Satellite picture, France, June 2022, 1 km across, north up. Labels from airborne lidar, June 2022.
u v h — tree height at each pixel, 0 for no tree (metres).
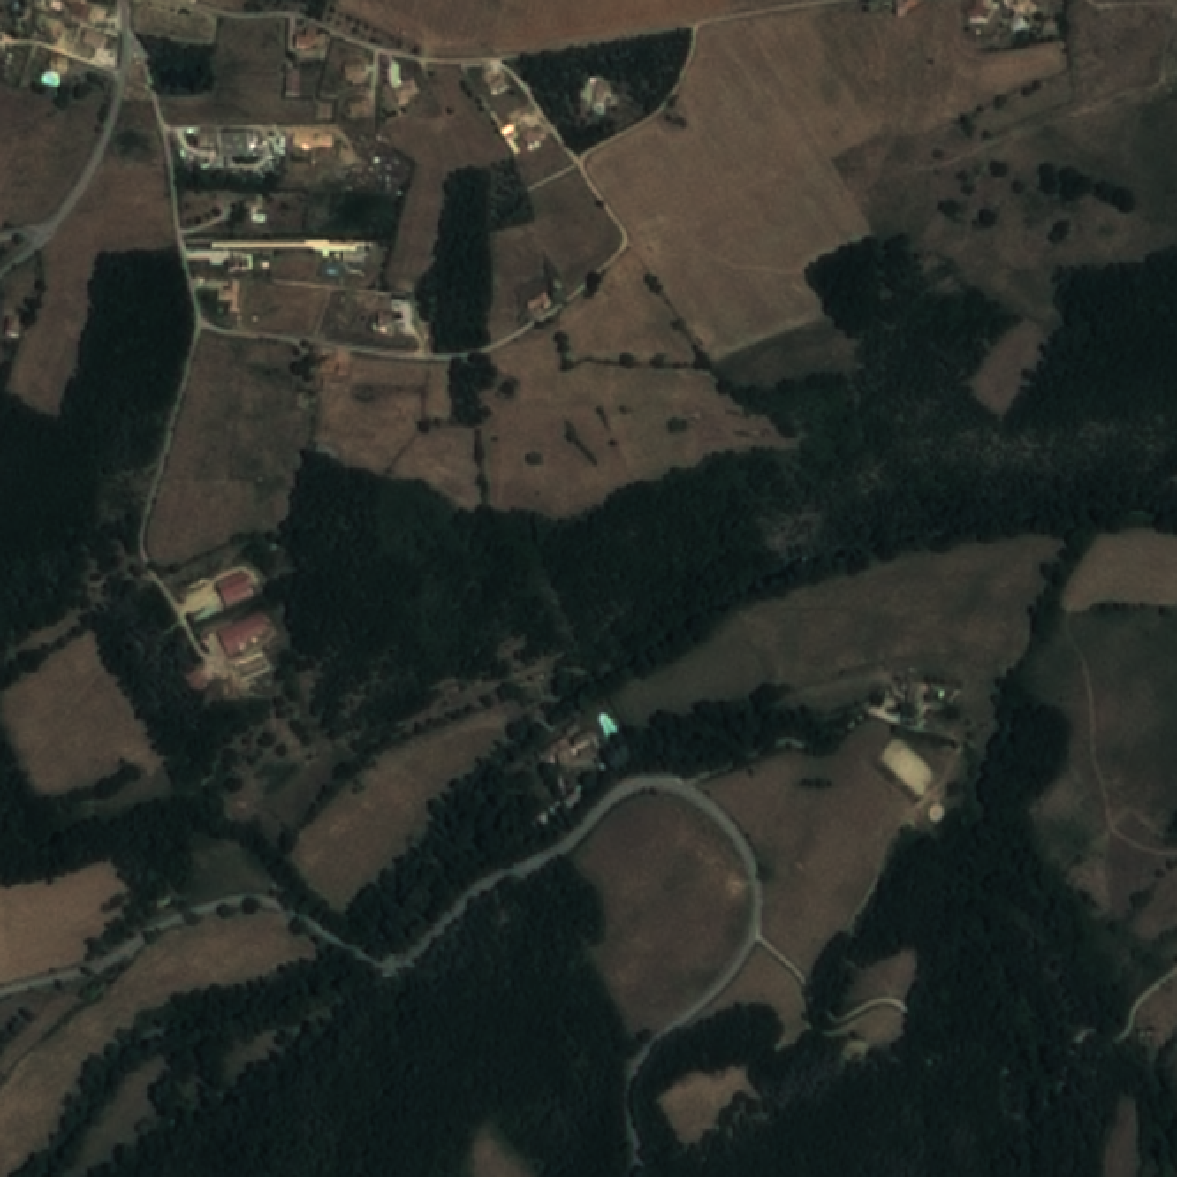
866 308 18
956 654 0
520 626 11
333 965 23
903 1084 12
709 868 0
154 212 0
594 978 11
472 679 13
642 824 0
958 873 11
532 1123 10
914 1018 14
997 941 11
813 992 13
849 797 0
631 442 0
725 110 0
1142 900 9
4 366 9
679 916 0
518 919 8
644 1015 0
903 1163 12
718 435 0
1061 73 0
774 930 0
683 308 0
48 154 0
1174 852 0
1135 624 0
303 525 9
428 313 7
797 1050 12
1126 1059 16
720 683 0
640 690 0
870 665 0
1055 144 0
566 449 0
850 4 0
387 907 25
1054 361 18
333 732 11
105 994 0
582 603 11
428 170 0
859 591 0
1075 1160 9
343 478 9
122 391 12
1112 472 12
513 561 13
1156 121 0
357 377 0
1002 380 0
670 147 0
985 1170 12
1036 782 12
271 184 9
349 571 13
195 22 0
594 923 13
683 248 0
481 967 11
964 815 9
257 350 0
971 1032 14
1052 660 0
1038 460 7
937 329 8
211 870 0
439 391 0
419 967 7
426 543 7
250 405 0
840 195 0
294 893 13
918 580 0
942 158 7
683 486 14
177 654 17
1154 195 0
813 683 0
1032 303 0
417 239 0
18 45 0
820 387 10
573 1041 18
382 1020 13
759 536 13
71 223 0
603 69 13
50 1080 0
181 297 10
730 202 0
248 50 0
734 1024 12
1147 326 17
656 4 0
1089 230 0
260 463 0
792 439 8
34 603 18
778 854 0
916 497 16
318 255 0
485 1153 0
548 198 0
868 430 9
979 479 10
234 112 0
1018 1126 25
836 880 0
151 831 17
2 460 7
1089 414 8
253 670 0
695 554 14
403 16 0
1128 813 0
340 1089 15
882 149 0
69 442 13
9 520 9
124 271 12
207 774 10
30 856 23
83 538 10
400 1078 11
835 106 0
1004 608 0
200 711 11
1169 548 0
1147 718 0
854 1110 11
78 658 0
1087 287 21
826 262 10
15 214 0
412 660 11
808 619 0
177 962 0
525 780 9
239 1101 17
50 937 0
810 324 0
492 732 0
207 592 0
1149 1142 10
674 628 8
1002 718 16
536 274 0
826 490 7
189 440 0
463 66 0
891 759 0
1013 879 10
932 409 7
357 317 0
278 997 20
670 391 0
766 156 0
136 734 0
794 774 0
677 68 7
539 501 0
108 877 0
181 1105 23
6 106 0
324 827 0
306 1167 13
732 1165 12
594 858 0
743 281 0
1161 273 17
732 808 0
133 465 10
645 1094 12
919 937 10
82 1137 19
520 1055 13
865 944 15
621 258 0
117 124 0
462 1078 12
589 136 11
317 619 14
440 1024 13
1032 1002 12
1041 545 0
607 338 0
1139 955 8
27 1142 0
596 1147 21
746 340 0
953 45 0
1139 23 0
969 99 0
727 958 0
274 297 0
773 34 0
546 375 0
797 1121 14
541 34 0
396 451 0
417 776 0
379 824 0
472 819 21
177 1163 10
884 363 9
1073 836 0
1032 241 0
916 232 0
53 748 0
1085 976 18
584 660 11
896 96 0
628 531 7
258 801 0
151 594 6
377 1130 16
